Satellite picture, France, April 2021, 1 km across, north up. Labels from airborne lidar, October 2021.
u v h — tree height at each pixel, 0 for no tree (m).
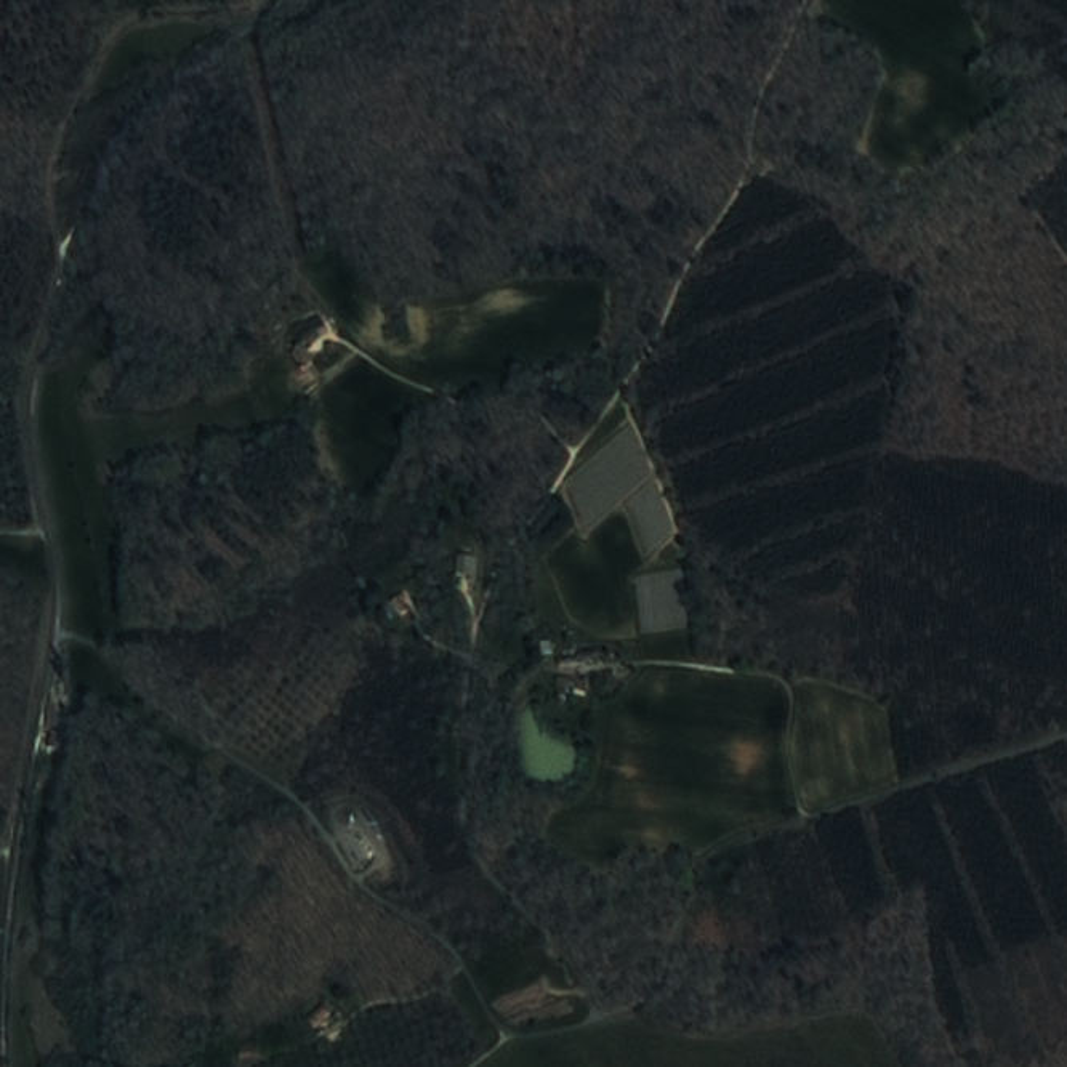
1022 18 7
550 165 18
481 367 0
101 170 23
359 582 19
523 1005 0
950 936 8
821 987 14
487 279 20
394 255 20
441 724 17
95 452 0
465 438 20
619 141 13
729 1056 0
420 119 15
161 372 20
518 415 14
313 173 16
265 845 22
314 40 29
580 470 0
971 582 6
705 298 8
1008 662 7
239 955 12
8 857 0
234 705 0
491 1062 0
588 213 19
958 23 0
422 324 0
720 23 11
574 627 0
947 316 14
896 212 20
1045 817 8
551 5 18
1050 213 12
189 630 15
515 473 0
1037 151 11
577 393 10
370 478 0
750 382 8
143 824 19
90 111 15
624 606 0
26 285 22
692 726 0
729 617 13
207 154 28
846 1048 0
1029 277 16
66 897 21
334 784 5
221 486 18
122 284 22
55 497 0
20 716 13
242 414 0
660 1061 0
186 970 18
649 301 9
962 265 18
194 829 24
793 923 7
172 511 21
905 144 0
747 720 0
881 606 6
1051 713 6
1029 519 7
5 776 9
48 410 0
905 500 7
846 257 8
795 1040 0
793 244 9
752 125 14
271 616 19
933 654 6
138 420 0
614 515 0
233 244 25
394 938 24
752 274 8
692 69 17
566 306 0
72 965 10
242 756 0
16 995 0
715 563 19
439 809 16
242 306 20
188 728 22
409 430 24
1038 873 9
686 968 13
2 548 0
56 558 0
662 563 0
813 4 12
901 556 7
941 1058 8
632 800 0
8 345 17
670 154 19
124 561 24
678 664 0
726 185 16
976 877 10
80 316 27
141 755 25
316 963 22
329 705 0
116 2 24
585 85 11
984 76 14
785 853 6
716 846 0
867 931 12
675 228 22
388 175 14
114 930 27
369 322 0
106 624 0
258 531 24
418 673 8
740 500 9
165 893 14
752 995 15
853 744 0
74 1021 6
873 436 8
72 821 24
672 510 7
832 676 13
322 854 17
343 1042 10
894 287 9
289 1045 6
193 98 20
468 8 18
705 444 9
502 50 11
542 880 11
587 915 12
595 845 0
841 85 17
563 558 0
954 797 8
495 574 10
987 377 8
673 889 8
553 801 13
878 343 8
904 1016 13
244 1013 22
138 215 24
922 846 6
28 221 14
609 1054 0
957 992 9
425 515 7
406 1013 16
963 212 21
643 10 17
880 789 0
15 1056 0
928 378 12
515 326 0
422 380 0
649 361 12
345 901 23
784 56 13
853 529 8
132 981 23
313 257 20
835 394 9
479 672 21
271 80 22
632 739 0
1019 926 9
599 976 16
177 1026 22
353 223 21
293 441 22
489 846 19
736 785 0
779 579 8
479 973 0
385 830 0
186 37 0
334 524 18
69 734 21
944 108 0
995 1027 0
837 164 19
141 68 17
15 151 15
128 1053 22
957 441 9
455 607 13
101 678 0
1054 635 7
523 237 14
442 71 14
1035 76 16
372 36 19
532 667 8
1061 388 12
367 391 0
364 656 6
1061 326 13
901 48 0
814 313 7
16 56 24
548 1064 0
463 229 20
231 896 17
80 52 16
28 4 17
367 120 18
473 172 16
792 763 0
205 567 14
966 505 6
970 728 7
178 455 18
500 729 23
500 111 20
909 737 7
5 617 11
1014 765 8
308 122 21
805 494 8
